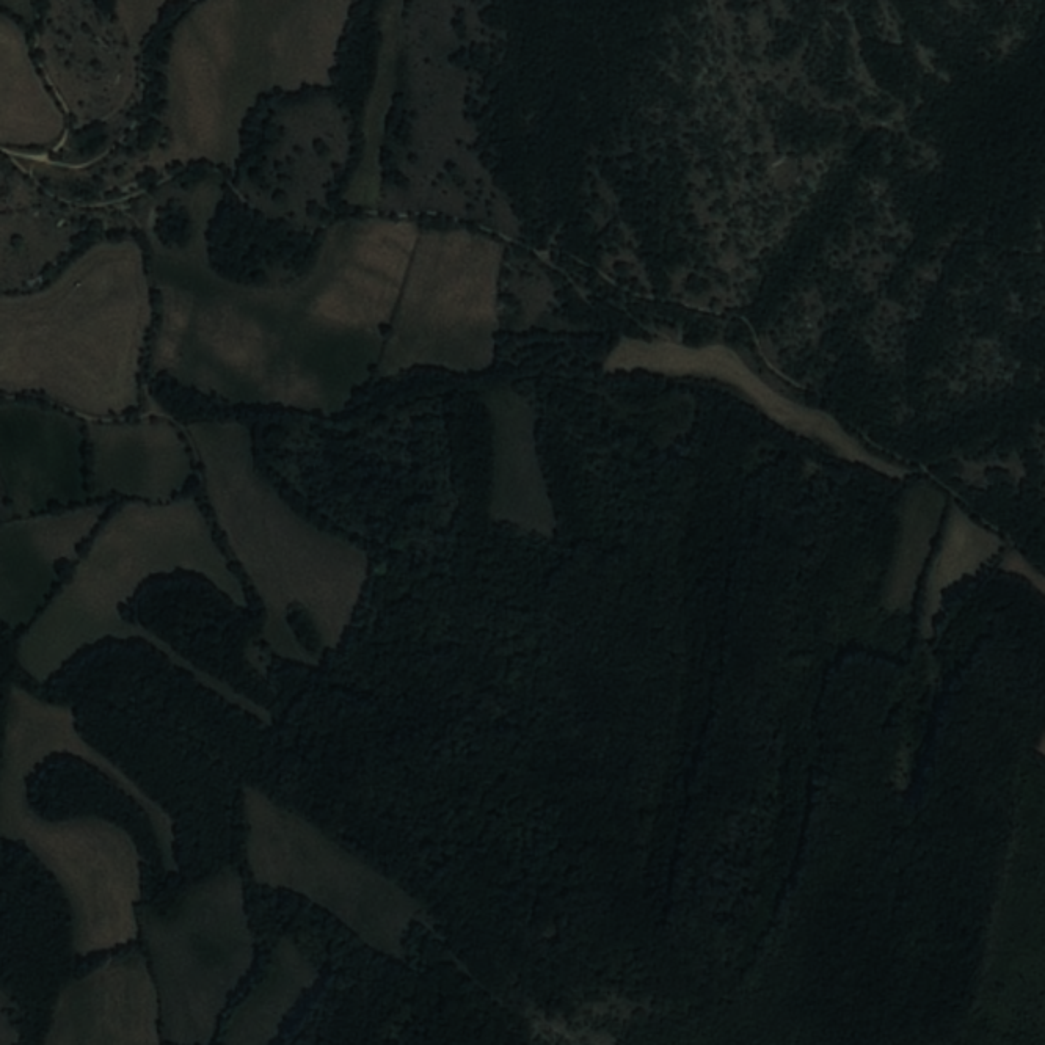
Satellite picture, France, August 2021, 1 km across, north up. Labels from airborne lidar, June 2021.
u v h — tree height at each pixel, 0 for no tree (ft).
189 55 0
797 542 61
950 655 24
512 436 0
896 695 58
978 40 21
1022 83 41
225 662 23
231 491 0
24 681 41
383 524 30
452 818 50
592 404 28
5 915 54
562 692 57
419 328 0
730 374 0
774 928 45
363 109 37
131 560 0
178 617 36
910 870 87
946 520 22
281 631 0
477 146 29
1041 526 21
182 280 0
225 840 36
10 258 0
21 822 0
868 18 21
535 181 21
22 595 0
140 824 36
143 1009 0
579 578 62
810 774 43
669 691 59
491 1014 22
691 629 27
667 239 24
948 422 21
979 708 58
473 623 27
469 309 0
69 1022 0
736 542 44
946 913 53
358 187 0
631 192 33
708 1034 23
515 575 26
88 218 23
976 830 48
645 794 66
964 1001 38
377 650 49
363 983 52
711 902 97
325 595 0
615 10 31
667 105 18
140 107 30
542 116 21
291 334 0
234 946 0
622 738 69
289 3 0
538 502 0
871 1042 66
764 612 65
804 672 25
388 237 0
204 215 0
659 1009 27
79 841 0
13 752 0
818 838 63
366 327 0
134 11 0
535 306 0
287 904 57
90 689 45
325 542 0
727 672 45
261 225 42
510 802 36
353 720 62
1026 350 35
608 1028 22
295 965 0
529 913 32
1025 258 23
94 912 0
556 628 37
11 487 0
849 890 54
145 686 37
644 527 46
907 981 74
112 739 41
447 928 23
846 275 18
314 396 0
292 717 45
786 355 22
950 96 24
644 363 0
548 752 57
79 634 0
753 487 40
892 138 22
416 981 43
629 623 52
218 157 0
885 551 21
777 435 52
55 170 0
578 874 35
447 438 20
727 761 66
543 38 33
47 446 0
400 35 0
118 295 0
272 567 0
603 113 26
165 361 0
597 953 35
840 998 71
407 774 61
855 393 37
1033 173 33
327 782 55
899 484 29
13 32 0
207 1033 0
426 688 52
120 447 0
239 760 35
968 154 39
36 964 44
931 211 42
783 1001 39
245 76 0
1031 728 68
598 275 30
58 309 0
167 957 0
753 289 18
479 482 31
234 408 29
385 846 57
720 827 61
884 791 49
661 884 47
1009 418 30
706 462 17
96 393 0
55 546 0
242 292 0
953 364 18
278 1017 0
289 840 0
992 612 38
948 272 23
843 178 22
